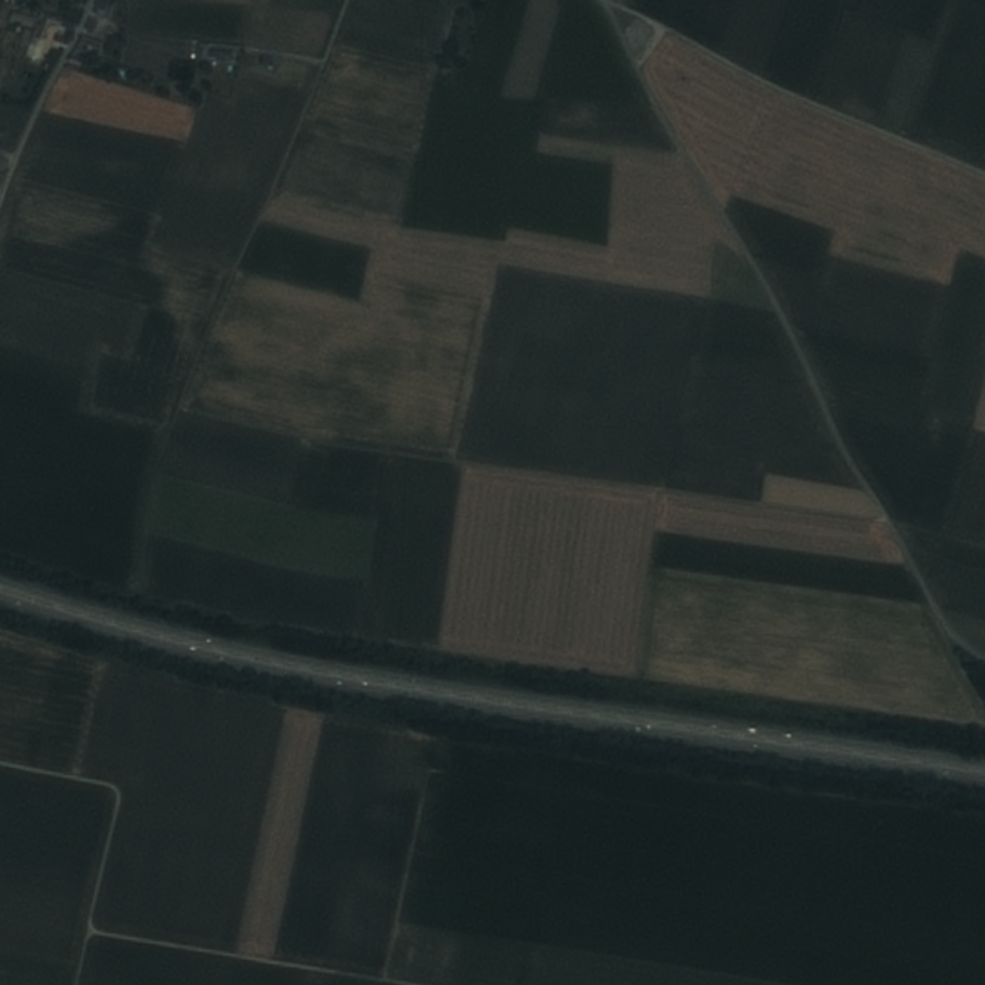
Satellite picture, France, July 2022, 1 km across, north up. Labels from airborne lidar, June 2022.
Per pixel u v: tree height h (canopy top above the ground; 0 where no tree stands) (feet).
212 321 0
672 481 0
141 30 0
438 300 0
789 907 0
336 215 0
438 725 68
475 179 0
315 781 0
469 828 0
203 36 0
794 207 0
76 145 0
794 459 0
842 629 0
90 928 0
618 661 0
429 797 0
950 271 0
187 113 0
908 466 0
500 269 0
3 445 0
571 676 31
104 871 0
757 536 0
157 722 0
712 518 0
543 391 0
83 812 0
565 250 0
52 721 0
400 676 0
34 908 0
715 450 0
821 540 0
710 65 0
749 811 0
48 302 0
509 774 0
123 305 0
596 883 0
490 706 0
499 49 0
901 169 0
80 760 0
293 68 0
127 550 0
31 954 0
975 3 0
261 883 0
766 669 0
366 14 0
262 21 0
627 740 66
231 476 0
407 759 0
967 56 0
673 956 0
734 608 0
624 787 0
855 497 0
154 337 0
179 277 0
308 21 0
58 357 0
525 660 0
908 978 0
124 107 0
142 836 0
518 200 0
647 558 0
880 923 0
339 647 19
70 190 0
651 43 0
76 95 0
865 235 0
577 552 0
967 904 0
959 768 0
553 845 0
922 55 0
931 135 0
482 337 0
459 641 0
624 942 0
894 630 0
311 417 0
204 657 0
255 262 0
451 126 0
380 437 0
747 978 0
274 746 0
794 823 0
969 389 0
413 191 0
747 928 0
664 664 0
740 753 28
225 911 0
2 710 0
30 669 0
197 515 0
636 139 0
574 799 0
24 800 0
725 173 0
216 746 0
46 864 0
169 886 0
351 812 0
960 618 0
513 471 0
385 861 0
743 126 0
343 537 0
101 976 0
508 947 0
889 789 73
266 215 0
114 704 0
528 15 0
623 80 0
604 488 0
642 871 0
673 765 52
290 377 0
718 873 0
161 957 0
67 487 0
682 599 0
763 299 0
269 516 0
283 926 0
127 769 0
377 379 0
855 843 0
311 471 0
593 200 0
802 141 0
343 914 0
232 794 0
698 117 0
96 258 0
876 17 0
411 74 0
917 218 0
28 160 0
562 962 0
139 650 33
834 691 0
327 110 0
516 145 0
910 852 0
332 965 0
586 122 0
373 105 0
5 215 0
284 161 0
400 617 0
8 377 0
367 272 0
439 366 0
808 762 33
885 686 0
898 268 0
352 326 0
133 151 0
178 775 0
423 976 0
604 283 0
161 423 0
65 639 36
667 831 0
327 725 0
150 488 0
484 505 0
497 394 0
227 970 0
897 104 0
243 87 0
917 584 0
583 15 0
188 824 0
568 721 0
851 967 0
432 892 0
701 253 0
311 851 0
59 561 0
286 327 0
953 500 0
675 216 0
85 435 0
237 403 0
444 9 0
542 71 0
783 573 0
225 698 0
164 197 0
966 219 0
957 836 0
